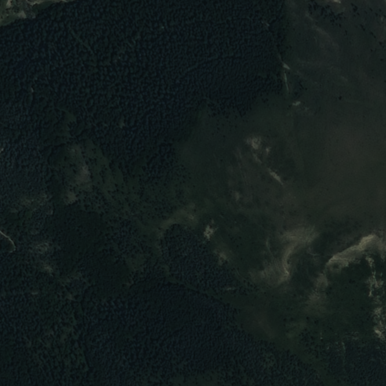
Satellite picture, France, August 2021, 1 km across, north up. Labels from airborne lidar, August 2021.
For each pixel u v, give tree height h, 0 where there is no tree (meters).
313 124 0
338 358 7
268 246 0
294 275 0
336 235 0
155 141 18
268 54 19
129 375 15
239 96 15
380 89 0
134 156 18
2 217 13
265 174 0
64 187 6
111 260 16
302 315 0
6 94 18
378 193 0
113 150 17
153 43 15
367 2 0
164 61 8
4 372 19
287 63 0
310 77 0
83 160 0
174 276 17
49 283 7
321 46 0
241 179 0
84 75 12
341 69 0
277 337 0
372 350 6
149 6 15
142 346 11
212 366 13
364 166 0
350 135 0
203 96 11
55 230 15
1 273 18
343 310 0
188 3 20
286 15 10
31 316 21
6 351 20
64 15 6
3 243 16
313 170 0
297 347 0
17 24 16
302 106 0
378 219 0
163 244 14
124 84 27
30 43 13
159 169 8
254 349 8
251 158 0
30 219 14
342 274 0
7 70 18
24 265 7
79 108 9
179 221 0
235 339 7
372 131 0
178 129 16
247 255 0
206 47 19
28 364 18
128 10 21
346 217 0
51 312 9
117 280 16
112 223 17
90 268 19
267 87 14
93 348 13
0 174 7
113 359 12
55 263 10
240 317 0
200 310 20
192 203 0
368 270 0
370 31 0
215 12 16
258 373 10
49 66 28
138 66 12
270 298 0
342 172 0
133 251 9
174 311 15
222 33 17
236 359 17
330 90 0
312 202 0
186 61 15
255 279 0
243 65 21
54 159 14
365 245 0
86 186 0
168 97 22
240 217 0
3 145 8
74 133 9
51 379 25
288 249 0
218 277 9
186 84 19
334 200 0
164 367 9
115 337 14
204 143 0
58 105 15
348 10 0
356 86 0
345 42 0
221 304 11
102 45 16
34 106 17
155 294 19
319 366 0
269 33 17
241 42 21
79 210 12
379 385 9
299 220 0
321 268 0
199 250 8
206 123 0
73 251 16
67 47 10
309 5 0
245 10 17
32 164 12
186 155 0
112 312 21
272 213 0
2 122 17
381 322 0
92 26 24
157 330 13
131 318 23
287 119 0
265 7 16
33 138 8
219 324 22
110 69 14
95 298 18
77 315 14
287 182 0
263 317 0
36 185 6
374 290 0
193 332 19
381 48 0
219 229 0
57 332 24
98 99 17
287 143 0
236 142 0
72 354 10
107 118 20
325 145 0
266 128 0
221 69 19
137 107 22
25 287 14
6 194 10
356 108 0
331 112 0
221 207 0
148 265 15
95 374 19
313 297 0
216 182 0
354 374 8
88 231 14
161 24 20
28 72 17
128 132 24
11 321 9
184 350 9
